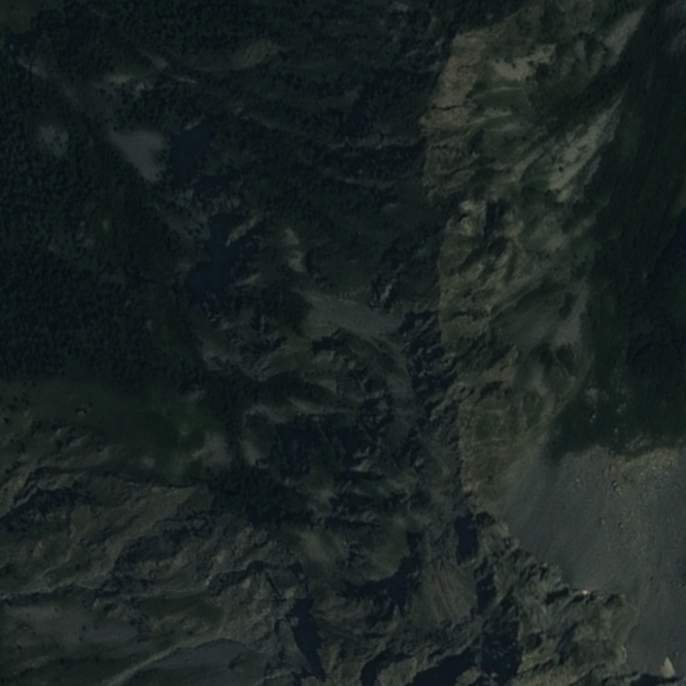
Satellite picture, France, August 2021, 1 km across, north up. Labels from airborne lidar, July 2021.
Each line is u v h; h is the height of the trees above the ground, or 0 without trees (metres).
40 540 0
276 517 6
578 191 0
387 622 0
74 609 0
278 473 0
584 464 0
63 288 10
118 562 6
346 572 0
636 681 0
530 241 0
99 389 0
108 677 0
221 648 0
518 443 0
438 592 0
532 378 0
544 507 0
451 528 0
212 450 0
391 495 0
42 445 0
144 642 0
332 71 0
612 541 0
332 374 0
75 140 8
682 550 0
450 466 0
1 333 8
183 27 12
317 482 0
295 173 8
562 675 0
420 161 0
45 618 0
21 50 7
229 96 0
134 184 8
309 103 0
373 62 0
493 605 0
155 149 0
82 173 12
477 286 0
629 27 0
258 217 0
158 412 0
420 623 0
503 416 0
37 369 9
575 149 0
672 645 0
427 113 0
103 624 0
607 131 0
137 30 6
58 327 11
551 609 0
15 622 0
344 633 0
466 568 0
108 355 7
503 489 0
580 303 0
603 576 0
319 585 0
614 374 0
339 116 8
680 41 0
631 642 0
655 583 0
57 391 0
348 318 0
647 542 0
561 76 0
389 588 0
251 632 0
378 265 0
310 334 0
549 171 0
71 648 0
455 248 0
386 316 0
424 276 0
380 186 0
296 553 0
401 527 0
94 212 6
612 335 0
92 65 5
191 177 12
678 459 0
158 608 0
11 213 9
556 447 0
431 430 0
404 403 0
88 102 0
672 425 0
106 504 0
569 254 0
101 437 0
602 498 0
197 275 0
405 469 0
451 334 0
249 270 8
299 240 0
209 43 14
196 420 0
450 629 0
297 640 0
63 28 7
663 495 0
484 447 0
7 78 16
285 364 0
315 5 0
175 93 7
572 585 0
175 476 0
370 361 0
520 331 0
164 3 19
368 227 0
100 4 7
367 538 0
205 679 0
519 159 0
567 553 0
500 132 0
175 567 0
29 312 9
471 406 0
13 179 20
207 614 0
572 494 0
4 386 0
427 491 0
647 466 0
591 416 0
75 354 8
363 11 0
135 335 9
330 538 0
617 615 0
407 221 0
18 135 19
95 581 0
